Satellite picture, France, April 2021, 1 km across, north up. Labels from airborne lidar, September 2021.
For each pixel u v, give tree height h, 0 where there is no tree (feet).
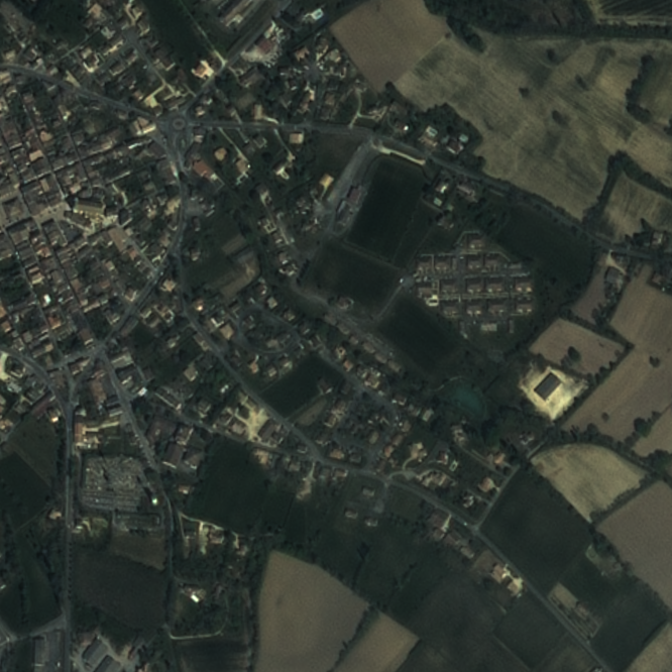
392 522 30
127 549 0
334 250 0
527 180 0
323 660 0
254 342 29
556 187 0
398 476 0
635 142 0
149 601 0
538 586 0
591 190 0
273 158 27
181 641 0
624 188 0
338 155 0
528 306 0
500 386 0
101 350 0
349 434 27
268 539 48
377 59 0
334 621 0
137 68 27
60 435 21
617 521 0
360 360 45
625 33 40
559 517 0
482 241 0
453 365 0
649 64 54
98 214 0
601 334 52
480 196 32
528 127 0
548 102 0
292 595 0
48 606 0
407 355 0
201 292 21
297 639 0
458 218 25
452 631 0
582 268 0
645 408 0
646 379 0
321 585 0
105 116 27
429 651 0
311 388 0
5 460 0
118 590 0
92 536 0
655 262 37
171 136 0
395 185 0
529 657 0
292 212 22
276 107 23
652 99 0
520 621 0
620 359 45
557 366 0
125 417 0
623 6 0
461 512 0
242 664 0
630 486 0
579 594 0
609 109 0
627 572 45
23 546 0
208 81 0
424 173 24
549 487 40
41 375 0
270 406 0
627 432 0
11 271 31
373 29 0
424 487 31
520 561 0
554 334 0
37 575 0
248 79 0
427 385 26
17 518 0
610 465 0
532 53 0
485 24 43
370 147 0
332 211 0
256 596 46
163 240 0
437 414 52
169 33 0
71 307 0
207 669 0
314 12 0
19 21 0
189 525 33
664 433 0
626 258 24
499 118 0
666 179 0
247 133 24
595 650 0
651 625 0
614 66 0
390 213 0
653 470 45
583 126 0
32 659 0
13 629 0
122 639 0
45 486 0
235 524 0
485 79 0
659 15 0
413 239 0
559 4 30
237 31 22
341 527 0
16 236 0
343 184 0
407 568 0
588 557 0
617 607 0
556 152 0
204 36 51
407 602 0
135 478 0
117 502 0
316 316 0
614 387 0
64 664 0
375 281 0
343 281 0
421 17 0
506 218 19
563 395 0
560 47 0
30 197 0
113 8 49
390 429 0
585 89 64
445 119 22
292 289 0
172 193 36
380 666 0
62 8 19
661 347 0
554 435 37
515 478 0
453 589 0
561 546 0
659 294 0
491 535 0
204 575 30
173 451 0
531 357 0
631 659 0
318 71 0
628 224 0
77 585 0
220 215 0
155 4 0
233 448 0
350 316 0
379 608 42
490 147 0
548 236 0
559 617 0
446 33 0
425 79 0
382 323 0
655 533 0
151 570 24
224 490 0
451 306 0
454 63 0
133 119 28
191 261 26
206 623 54
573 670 0
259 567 30
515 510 0
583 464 0
